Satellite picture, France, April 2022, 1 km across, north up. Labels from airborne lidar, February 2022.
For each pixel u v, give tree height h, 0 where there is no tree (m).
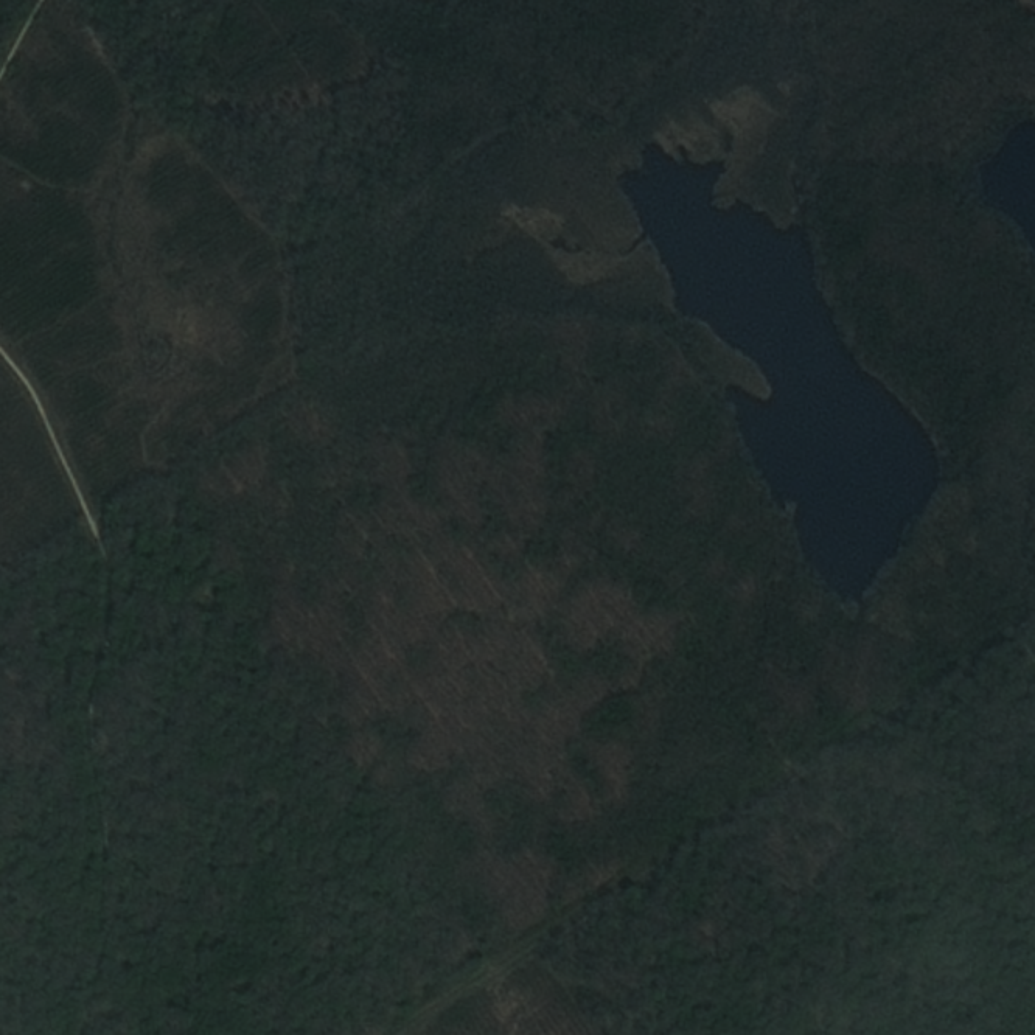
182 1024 26
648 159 0
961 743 23
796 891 22
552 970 29
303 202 23
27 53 0
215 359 0
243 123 21
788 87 0
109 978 23
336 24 8
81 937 27
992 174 0
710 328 0
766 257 0
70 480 0
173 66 27
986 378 15
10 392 0
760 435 0
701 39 16
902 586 21
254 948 22
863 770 29
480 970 24
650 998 24
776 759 18
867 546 0
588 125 14
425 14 12
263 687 28
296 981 25
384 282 16
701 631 15
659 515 16
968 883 28
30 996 26
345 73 7
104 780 23
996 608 15
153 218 0
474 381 14
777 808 25
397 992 27
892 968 27
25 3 21
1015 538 12
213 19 24
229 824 27
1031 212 0
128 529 22
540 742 21
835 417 0
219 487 21
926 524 22
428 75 16
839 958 26
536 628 18
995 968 26
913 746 27
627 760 20
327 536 17
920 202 14
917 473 0
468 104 16
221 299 0
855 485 0
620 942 27
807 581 19
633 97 14
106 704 28
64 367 0
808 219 17
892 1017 26
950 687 25
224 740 28
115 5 24
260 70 9
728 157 0
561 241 0
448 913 21
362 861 27
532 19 14
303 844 21
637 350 16
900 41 12
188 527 27
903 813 26
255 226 0
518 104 12
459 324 19
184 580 23
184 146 0
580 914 0
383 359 16
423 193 22
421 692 22
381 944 24
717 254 0
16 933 27
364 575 17
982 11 15
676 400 20
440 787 20
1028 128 0
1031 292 16
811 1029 24
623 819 14
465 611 19
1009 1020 21
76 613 26
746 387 0
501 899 21
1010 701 29
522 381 16
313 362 22
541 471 22
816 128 15
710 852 25
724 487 18
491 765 19
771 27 12
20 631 31
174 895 27
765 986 25
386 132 19
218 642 28
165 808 26
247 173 23
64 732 25
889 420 0
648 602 16
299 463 16
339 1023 23
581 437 18
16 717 27
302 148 22
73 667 24
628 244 0
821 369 0
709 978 29
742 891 27
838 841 27
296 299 20
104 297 0
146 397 0
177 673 27
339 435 16
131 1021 26
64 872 22
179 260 0
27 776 28
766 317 0
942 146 15
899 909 28
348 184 21
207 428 0
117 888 23
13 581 21
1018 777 26
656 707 20
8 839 25
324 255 24
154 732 28
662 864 0
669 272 0
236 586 20
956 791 26
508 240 0
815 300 0
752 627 19
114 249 0
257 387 0
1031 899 23
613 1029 26
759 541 18
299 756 27
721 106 0
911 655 17
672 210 0
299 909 24
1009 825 21
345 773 22
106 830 24
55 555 27
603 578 18
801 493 0
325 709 22
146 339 0
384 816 25
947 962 25
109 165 0
